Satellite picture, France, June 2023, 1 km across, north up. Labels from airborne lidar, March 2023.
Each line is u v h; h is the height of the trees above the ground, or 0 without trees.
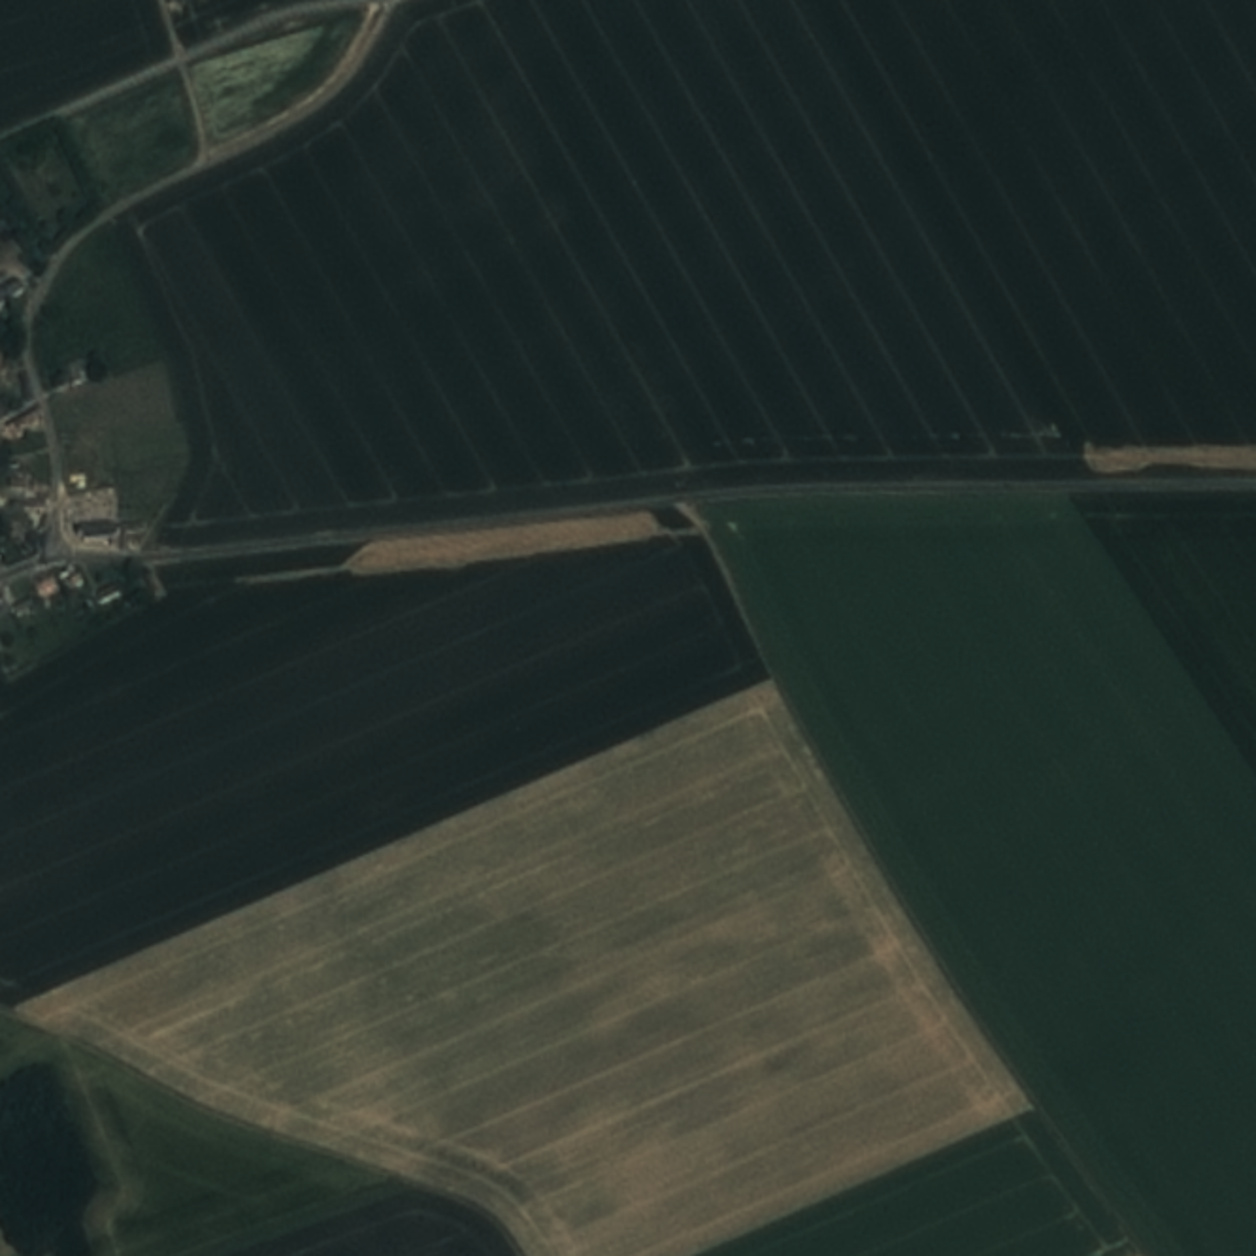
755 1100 0
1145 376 0
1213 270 0
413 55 0
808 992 0
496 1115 0
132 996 0
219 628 0
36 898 0
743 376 0
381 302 0
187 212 0
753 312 0
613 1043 0
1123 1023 0
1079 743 0
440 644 0
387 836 0
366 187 0
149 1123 0
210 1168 0
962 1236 0
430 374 0
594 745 0
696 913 0
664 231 0
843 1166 0
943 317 0
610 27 0
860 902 0
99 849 0
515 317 0
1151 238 0
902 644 0
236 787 0
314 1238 0
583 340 0
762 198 0
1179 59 0
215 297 0
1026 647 0
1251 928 0
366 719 0
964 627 0
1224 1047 0
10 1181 9
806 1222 0
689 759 0
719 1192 0
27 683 0
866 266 0
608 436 0
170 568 0
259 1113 0
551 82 0
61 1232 11
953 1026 0
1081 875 0
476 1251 0
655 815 0
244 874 0
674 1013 0
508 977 0
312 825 0
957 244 0
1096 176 0
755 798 0
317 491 0
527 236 0
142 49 0
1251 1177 0
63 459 0
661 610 0
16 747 0
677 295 0
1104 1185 0
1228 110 0
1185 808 0
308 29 0
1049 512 0
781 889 0
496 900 0
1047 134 0
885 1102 0
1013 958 0
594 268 0
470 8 0
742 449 0
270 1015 0
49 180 0
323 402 0
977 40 0
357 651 0
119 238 0
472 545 0
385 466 0
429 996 0
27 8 0
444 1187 0
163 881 0
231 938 0
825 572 0
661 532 0
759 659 0
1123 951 0
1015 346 0
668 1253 0
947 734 0
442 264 0
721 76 0
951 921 0
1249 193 0
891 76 0
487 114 0
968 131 0
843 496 0
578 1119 0
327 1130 0
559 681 0
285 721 0
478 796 0
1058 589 0
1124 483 0
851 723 0
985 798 0
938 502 0
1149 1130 0
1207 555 0
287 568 0
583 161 0
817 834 0
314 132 0
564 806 0
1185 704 0
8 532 13
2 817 0
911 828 0
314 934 0
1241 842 0
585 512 0
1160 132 0
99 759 0
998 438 0
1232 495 0
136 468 0
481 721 0
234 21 0
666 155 0
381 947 0
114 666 0
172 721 0
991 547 0
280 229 0
